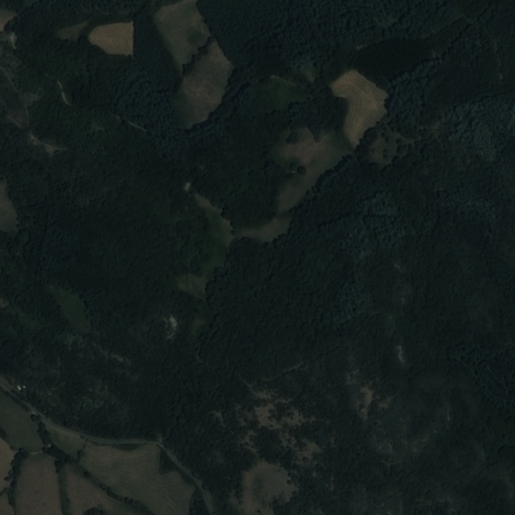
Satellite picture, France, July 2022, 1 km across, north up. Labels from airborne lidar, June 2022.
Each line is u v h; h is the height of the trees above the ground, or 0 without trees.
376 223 26
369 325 10
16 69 7
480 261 9
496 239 9
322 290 13
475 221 14
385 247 20
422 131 13
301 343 14
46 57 16
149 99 32
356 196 15
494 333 6
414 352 11
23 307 12
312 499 11
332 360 8
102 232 11
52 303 11
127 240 9
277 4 14
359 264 6
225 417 10
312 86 18
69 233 10
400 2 22
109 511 0
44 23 7
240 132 10
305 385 10
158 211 8
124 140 11
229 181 13
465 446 10
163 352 9
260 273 22
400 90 37
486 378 21
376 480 8
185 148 34
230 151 7
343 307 18
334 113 13
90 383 6
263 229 0
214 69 0
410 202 7
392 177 11
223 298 8
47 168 10
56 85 12
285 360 10
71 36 0
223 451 10
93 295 20
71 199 9
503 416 15
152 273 18
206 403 12
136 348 8
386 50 16
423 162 8
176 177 18
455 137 15
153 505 0
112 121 13
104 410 9
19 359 18
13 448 10
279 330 12
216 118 19
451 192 13
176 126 33
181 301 11
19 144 7
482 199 12
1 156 17
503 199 11
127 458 0
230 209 21
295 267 16
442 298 12
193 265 16
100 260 9
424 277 15
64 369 12
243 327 16
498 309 7
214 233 0
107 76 14
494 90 15
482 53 15
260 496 0
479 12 12
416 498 7
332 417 8
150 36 17
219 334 17
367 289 8
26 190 9
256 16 14
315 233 16
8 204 0
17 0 20
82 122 11
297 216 10
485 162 10
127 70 18
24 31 23
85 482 0
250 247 11
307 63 25
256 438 8
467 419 12
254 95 22
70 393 10
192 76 0
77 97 23
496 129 21
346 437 7
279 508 10
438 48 11
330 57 15
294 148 0
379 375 7
